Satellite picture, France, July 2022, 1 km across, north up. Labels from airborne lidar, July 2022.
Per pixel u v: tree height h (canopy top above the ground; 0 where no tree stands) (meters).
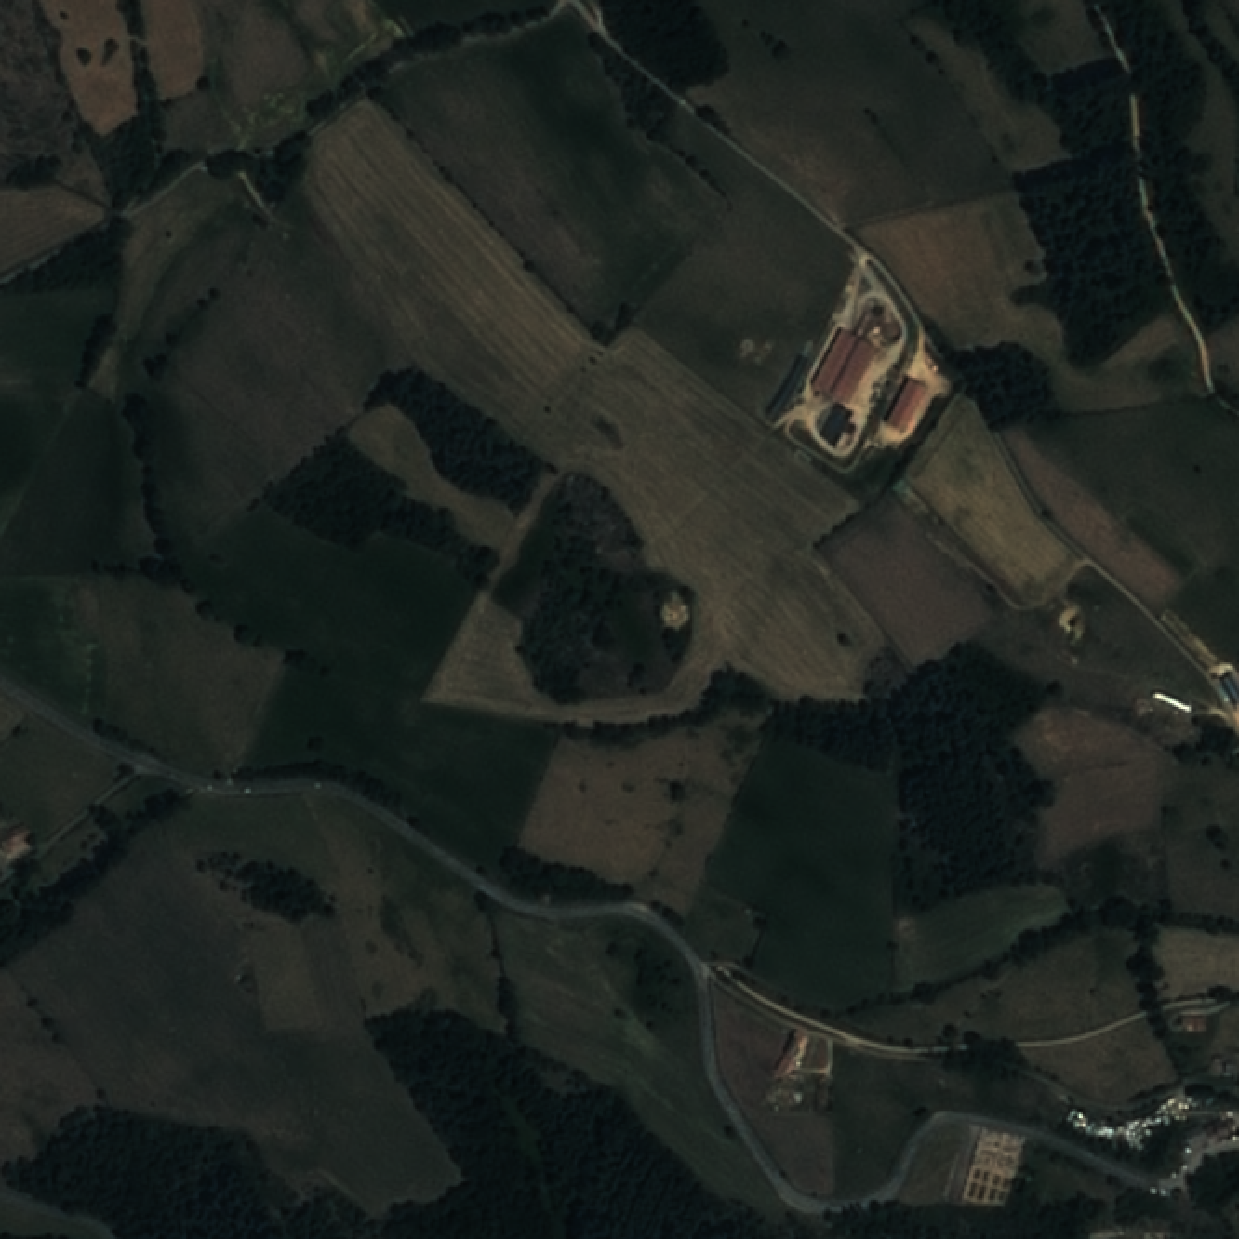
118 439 0
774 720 8
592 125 0
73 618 0
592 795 0
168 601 0
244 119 0
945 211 0
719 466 0
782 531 0
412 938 0
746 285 0
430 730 0
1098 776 0
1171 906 15
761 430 0
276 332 0
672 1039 0
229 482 0
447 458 22
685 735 0
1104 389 0
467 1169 15
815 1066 0
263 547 0
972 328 0
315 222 0
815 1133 0
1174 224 5
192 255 0
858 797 0
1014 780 10
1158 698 0
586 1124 15
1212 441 0
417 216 0
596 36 10
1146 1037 0
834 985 0
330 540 8
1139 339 0
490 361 0
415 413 26
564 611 7
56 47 0
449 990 0
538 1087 15
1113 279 17
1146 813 0
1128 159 25
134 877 0
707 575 0
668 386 0
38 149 0
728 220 0
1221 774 0
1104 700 0
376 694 0
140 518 0
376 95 15
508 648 0
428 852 0
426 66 0
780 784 0
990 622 0
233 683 0
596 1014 0
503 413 0
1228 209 0
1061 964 0
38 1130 0
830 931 0
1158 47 17
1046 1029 0
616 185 0
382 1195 0
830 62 0
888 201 0
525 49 0
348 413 0
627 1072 0
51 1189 15
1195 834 0
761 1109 0
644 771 0
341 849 0
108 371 0
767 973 0
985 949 0
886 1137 0
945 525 0
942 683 18
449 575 0
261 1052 0
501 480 21
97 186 0
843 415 0
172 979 0
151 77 11
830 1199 0
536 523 0
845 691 0
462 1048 18
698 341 0
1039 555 0
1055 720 0
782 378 0
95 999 0
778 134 0
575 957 0
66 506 0
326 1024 0
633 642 0
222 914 0
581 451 0
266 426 0
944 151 0
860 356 0
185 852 0
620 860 0
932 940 0
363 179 0
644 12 18
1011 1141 0
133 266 0
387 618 0
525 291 0
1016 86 9
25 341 0
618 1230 17
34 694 0
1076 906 13
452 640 0
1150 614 0
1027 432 0
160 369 17
